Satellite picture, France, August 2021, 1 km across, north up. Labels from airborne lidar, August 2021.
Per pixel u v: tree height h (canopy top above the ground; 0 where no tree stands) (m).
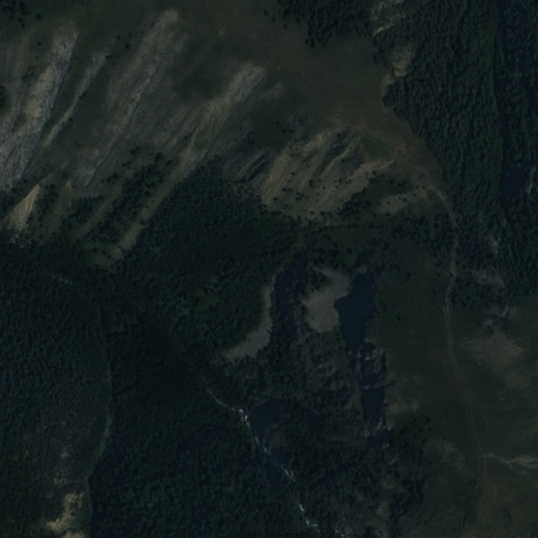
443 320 0
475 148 12
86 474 8
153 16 0
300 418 7
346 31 15
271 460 0
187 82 0
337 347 0
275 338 17
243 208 13
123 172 0
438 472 0
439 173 0
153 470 17
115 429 7
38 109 0
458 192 11
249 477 10
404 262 0
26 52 0
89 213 15
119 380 16
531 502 0
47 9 0
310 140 0
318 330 0
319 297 0
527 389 0
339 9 18
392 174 0
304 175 0
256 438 0
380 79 0
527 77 17
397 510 0
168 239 12
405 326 0
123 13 0
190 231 16
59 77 0
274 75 0
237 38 0
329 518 10
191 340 11
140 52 0
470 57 18
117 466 20
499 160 7
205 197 16
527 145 12
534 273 14
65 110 0
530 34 19
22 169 0
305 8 15
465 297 0
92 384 13
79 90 0
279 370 6
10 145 0
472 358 0
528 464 0
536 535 0
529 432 0
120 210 15
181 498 8
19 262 21
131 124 0
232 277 7
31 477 14
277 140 0
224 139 0
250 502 8
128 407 12
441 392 0
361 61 0
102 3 0
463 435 0
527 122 8
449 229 6
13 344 33
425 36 19
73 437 9
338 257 16
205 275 10
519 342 0
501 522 0
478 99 11
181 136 0
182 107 0
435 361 0
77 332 12
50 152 0
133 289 13
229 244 10
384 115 0
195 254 10
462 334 0
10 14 12
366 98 0
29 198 0
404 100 21
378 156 0
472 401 0
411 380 0
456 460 0
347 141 0
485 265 7
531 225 19
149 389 21
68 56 0
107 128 0
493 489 0
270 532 9
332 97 0
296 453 7
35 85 0
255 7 0
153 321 15
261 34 0
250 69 0
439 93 31
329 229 10
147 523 12
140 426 11
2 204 9
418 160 0
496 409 0
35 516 19
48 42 0
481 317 0
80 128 0
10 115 0
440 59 28
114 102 0
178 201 18
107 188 0
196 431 14
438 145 16
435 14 16
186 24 0
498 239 14
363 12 18
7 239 11
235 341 9
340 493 17
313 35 17
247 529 10
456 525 0
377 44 16
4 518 17
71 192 0
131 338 14
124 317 13
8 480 14
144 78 0
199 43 0
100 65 0
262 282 11
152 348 18
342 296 0
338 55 0
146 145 0
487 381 0
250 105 0
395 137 0
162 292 8
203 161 0
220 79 0
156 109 0
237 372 11
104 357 14
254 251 7
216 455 7
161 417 18
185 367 16
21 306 20
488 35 8
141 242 11
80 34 0
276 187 0
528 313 0
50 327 29
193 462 8
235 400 7
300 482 7
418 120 15
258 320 11
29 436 17
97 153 0
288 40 0
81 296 16
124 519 16
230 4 0
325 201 0
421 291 0
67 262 17
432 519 0
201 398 14
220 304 6
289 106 0
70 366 19
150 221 7
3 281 21
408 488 13
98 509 17
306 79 0
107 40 0
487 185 19
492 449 0
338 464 8
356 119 0
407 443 10
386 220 0
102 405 10
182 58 0
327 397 15
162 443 14
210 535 8
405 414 0
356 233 0
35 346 29
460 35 29
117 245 17
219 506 9
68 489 9
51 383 11
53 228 0
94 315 14
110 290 12
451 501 0
